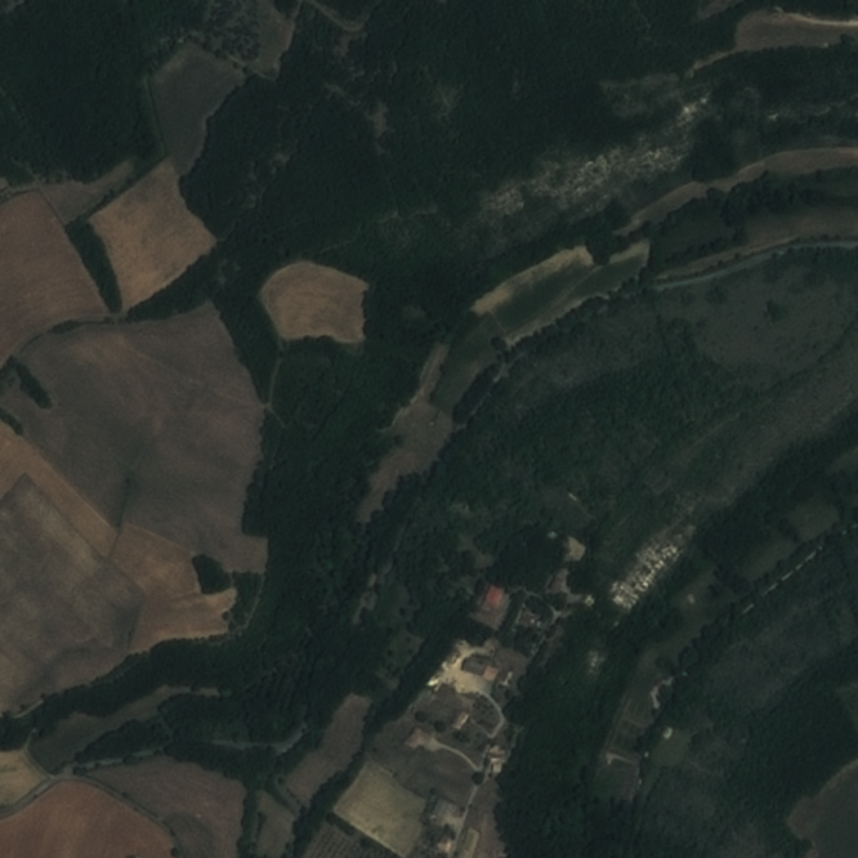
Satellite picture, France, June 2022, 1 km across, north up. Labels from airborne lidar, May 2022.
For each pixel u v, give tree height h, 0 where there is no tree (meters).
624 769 0
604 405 10
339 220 12
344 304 0
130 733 18
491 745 10
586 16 10
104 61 14
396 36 12
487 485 8
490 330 0
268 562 7
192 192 19
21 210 0
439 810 0
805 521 0
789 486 21
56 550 0
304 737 10
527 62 9
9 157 12
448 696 0
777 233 0
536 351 9
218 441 0
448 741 0
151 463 0
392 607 0
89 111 17
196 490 0
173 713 19
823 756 13
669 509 6
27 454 0
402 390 19
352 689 10
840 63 9
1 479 0
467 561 14
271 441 11
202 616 0
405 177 7
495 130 11
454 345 7
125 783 0
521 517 10
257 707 17
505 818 16
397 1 11
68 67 17
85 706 21
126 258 0
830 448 9
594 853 16
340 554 25
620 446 7
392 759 0
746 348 0
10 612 0
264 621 7
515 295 0
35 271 0
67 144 18
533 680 14
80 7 12
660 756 0
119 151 17
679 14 7
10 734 13
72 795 0
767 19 0
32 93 15
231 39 8
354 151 12
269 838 0
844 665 11
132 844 0
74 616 0
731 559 23
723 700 8
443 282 11
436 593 9
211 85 0
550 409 10
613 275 0
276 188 10
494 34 10
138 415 0
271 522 13
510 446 7
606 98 9
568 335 11
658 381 7
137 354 0
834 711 15
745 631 10
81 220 9
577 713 12
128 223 0
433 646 12
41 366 0
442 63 8
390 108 9
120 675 6
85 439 0
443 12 10
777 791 12
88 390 0
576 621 10
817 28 0
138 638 0
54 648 0
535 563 11
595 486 7
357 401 10
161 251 0
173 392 0
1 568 0
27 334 0
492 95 11
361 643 18
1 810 0
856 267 8
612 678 6
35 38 16
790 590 9
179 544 0
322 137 11
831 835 0
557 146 7
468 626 10
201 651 12
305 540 20
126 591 0
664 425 8
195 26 14
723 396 9
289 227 9
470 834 0
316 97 9
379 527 22
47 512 0
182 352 0
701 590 0
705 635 16
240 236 11
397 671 7
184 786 0
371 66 9
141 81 12
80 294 0
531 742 15
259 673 22
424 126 9
